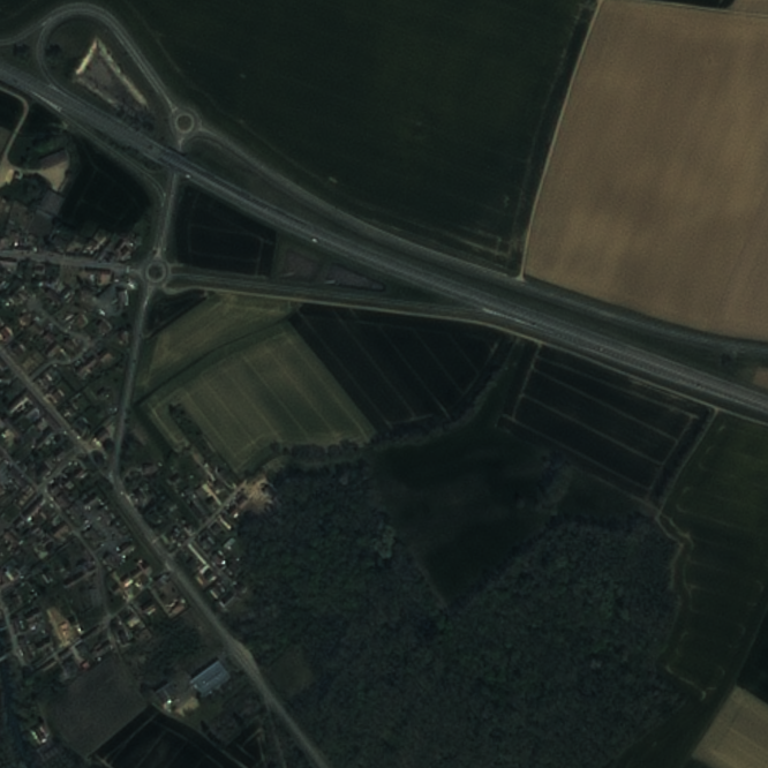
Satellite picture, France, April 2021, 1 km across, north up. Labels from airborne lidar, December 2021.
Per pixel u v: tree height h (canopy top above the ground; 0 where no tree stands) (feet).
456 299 0
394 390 0
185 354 0
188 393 0
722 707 0
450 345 0
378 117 0
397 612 84
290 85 0
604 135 0
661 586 56
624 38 0
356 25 0
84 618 0
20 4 0
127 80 0
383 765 46
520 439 0
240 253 0
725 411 0
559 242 0
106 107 0
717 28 0
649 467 0
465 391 0
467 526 0
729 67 0
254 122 0
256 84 0
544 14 0
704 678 0
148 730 0
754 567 0
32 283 24
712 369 0
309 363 0
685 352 0
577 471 0
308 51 0
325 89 0
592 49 0
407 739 72
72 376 0
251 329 0
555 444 0
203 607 0
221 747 26
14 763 105
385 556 78
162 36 0
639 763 0
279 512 73
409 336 0
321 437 0
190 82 0
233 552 0
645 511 0
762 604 0
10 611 0
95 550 0
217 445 0
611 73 0
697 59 0
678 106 0
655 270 0
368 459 0
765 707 0
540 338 0
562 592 67
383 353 0
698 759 0
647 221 0
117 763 0
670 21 0
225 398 0
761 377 0
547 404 0
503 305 0
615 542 76
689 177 0
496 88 0
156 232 0
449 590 0
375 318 0
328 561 73
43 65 0
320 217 0
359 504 78
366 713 59
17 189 0
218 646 0
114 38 0
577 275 0
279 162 0
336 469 0
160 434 0
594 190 0
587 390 0
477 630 61
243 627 57
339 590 54
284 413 0
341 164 0
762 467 0
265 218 0
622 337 0
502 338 0
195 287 0
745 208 0
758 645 0
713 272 0
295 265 0
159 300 0
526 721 81
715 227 0
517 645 73
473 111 0
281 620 45
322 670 57
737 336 0
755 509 0
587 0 0
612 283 0
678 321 0
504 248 0
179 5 0
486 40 0
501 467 0
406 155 0
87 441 0
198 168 0
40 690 34
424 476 0
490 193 0
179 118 0
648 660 54
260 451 0
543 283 0
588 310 0
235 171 0
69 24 0
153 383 0
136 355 0
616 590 92
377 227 0
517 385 0
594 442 0
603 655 33
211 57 0
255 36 0
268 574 80
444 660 26
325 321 0
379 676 59
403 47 0
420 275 0
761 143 0
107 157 0
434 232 0
